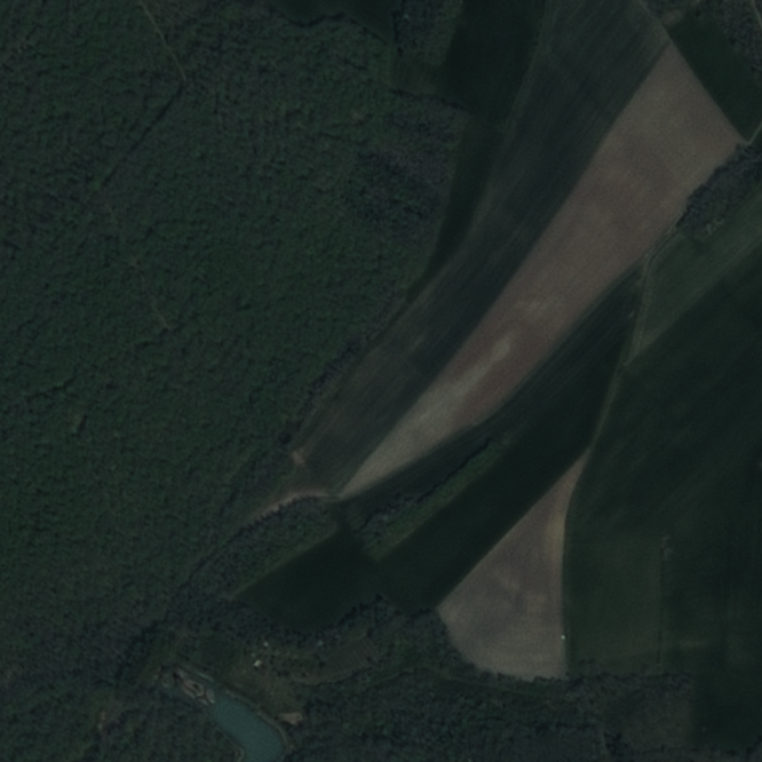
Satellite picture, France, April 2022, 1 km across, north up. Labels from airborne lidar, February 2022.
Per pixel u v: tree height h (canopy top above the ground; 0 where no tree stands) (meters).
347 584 0
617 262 0
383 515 15
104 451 23
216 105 21
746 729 0
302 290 20
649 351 0
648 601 0
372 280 24
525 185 0
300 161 22
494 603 0
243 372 22
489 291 0
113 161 23
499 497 0
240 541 14
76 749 24
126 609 19
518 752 22
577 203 0
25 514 20
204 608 16
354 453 0
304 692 19
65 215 25
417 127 21
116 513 18
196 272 20
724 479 0
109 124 22
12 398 19
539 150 0
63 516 21
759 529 0
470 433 0
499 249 0
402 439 0
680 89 0
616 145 0
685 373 0
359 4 0
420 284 0
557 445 0
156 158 23
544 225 0
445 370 0
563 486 0
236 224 21
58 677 24
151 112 20
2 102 22
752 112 0
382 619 20
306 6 0
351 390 0
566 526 0
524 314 0
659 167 0
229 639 20
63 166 23
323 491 0
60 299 20
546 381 0
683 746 0
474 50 0
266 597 0
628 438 0
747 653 0
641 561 0
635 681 13
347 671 0
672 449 0
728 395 0
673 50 0
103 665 19
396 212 22
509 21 0
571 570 0
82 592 22
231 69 23
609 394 0
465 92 0
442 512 0
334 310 22
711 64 0
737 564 0
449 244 0
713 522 0
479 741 18
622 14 0
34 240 25
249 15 21
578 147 0
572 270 0
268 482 18
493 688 22
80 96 19
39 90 24
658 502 0
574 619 0
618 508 0
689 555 0
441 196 19
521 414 0
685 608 0
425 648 24
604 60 0
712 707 0
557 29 0
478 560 0
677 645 0
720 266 0
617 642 0
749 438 0
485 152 0
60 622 20
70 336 24
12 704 25
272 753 0
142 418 20
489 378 0
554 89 0
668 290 0
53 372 20
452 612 0
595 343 0
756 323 0
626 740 18
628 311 0
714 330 0
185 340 22
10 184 24
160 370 19
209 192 24
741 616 0
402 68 0
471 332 0
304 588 0
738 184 19
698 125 0
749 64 6
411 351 0
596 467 0
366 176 19
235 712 0
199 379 25
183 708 16
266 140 23
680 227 8
